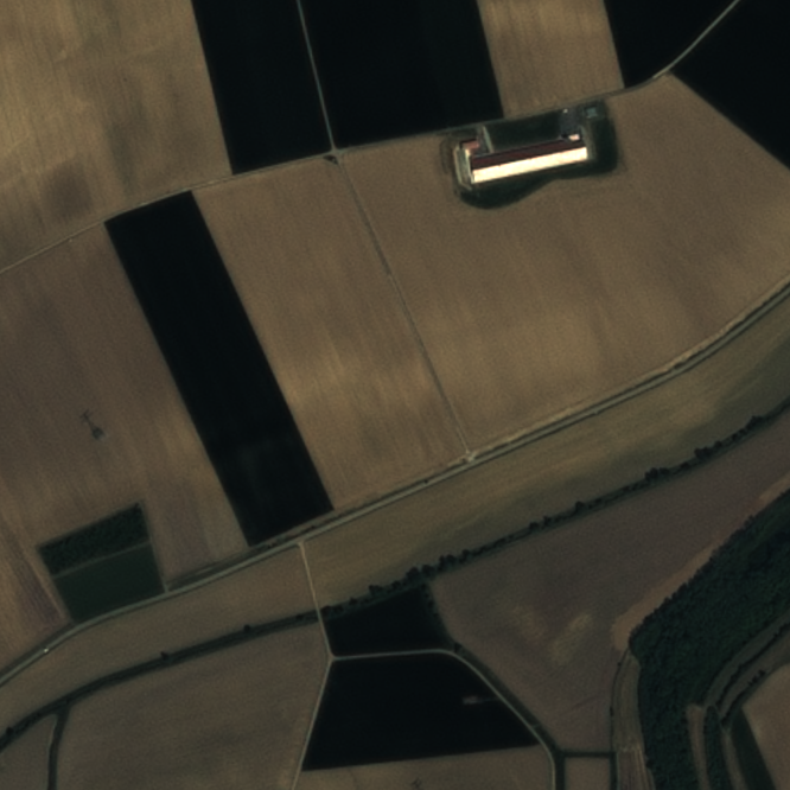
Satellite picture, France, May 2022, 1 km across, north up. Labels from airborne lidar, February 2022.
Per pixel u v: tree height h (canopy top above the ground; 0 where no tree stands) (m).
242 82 0
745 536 15
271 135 0
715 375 0
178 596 0
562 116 0
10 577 0
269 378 0
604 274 0
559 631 0
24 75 0
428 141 0
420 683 0
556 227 0
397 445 0
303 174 0
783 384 0
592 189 0
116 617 0
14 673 0
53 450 0
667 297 0
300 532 0
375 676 0
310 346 0
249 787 0
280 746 0
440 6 0
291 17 0
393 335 0
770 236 0
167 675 0
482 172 0
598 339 0
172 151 0
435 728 0
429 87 0
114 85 0
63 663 0
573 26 0
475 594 0
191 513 0
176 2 0
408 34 0
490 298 0
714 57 0
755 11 0
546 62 0
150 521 0
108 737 0
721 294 0
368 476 0
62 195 0
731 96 0
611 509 0
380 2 0
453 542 0
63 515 0
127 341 0
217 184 0
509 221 0
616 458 0
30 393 0
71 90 0
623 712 0
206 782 0
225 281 0
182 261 0
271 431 0
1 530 0
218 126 0
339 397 0
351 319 0
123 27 0
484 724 0
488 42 0
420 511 0
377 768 0
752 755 0
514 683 0
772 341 0
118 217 0
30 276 0
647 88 0
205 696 0
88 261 0
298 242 0
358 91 0
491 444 0
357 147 0
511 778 0
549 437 0
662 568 0
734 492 0
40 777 0
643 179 0
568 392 0
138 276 0
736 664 0
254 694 0
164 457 0
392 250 0
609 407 0
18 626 0
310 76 0
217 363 0
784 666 0
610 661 0
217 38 0
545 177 0
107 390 0
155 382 0
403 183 0
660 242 0
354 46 0
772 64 0
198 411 0
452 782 0
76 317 0
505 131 0
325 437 0
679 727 12
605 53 0
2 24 0
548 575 0
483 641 0
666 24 0
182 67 0
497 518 0
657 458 0
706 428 0
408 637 0
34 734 0
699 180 0
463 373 0
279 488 0
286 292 0
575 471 0
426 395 0
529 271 0
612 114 0
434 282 0
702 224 0
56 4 0
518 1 0
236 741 0
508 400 0
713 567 9
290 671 0
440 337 0
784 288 0
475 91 0
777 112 0
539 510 0
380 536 0
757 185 0
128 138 0
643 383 0
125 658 0
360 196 0
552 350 0
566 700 0
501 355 0
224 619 0
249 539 0
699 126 0
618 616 0
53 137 0
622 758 0
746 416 0
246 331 0
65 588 0
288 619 0
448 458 0
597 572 0
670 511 0
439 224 0
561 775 0
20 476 0
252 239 0
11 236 0
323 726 0
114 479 0
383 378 0
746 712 0
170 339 0
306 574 0
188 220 0
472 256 0
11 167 0
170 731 0
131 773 0
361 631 0
